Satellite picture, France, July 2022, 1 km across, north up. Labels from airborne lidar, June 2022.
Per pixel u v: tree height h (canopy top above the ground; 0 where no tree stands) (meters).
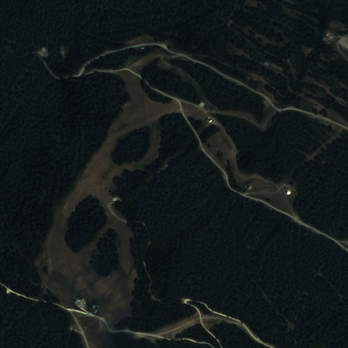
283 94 18
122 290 0
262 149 15
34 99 11
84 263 0
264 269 10
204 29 19
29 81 18
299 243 24
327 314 17
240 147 16
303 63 20
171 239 18
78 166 11
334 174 27
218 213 16
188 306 17
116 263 23
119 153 17
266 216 15
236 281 6
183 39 19
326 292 25
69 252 0
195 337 8
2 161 15
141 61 0
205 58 6
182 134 12
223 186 10
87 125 15
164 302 16
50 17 31
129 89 0
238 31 14
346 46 0
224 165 0
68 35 22
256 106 26
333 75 26
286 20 22
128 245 0
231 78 0
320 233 0
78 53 18
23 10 31
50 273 0
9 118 17
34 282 10
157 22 28
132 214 17
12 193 20
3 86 34
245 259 12
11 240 17
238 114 0
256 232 32
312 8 18
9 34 24
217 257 27
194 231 10
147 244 10
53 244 0
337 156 24
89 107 16
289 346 15
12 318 15
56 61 12
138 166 0
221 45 25
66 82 21
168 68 0
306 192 19
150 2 33
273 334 20
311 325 18
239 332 10
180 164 33
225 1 11
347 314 19
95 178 0
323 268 5
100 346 0
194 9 21
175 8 30
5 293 6
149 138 16
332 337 26
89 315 0
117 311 0
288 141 20
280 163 21
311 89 14
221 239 26
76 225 12
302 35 14
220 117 8
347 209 26
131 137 10
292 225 23
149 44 0
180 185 21
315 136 17
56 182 15
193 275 10
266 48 14
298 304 29
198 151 9
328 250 31
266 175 18
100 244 12
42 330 21
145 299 12
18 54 21
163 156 11
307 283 23
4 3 29
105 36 19
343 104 9
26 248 13
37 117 27
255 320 14
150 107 0
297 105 13
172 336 0
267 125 0
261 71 14
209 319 0
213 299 14
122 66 15
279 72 0
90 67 18
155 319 12
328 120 0
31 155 27
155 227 14
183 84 21
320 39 10
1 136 7
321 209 23
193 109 0
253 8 15
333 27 0
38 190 14
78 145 28
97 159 0
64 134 14
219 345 8
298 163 23
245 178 0
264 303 19
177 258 16
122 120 0
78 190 0
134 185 13
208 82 18
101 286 0
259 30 22
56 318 21
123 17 27
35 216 14
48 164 21
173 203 32
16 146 25
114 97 22
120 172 0
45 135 28
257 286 20
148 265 16
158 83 22
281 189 0
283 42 13
